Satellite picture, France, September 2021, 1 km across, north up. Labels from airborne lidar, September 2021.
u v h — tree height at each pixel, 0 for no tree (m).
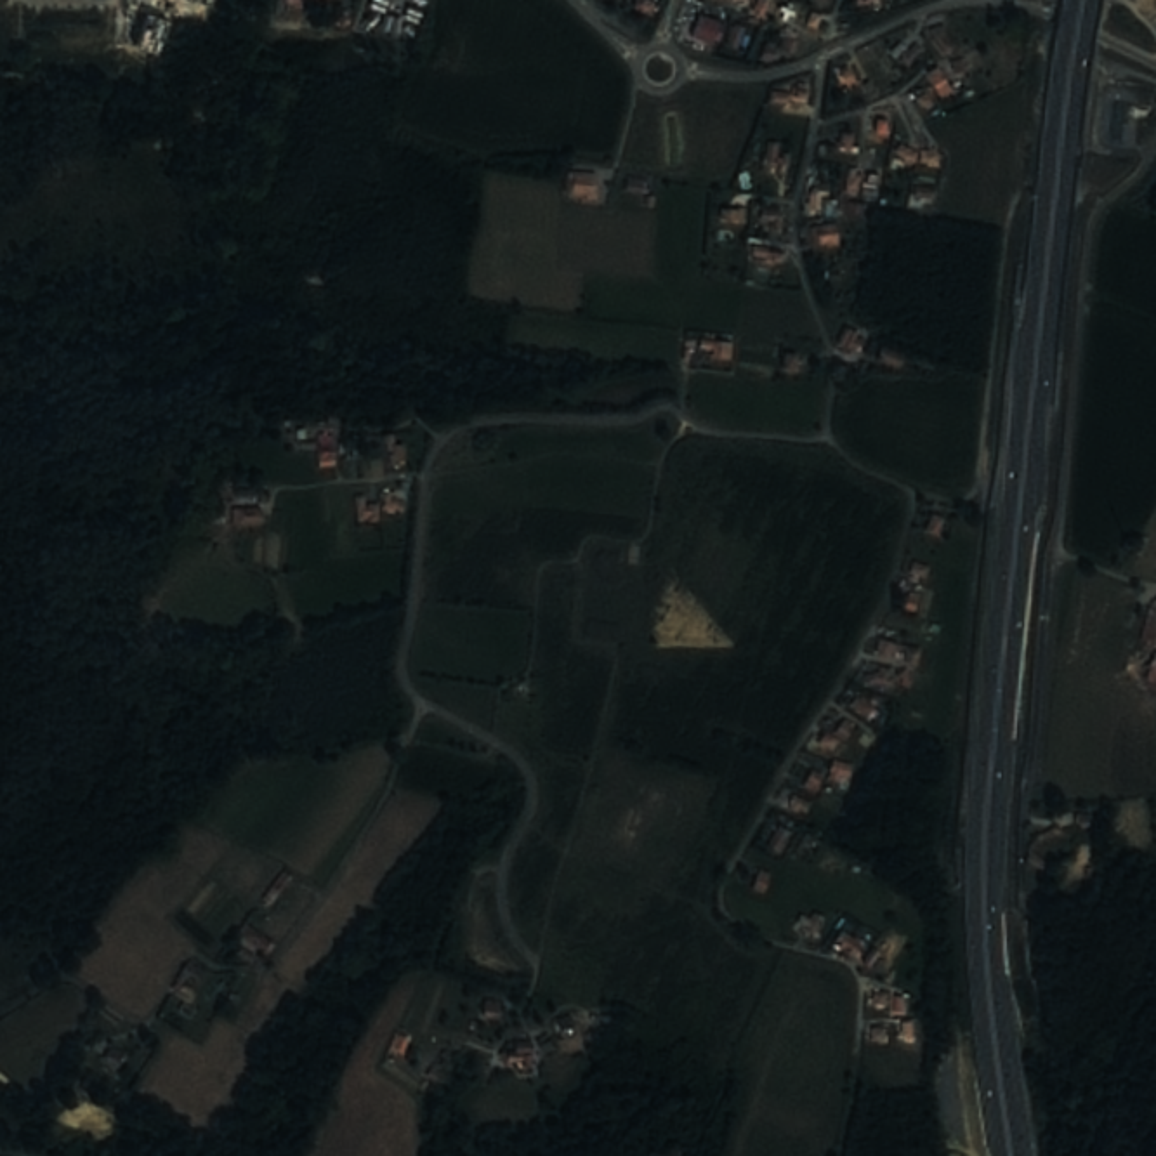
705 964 0
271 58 14
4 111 13
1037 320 0
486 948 0
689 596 0
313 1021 25
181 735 23
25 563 18
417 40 16
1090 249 0
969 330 11
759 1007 0
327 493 0
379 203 10
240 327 33
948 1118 0
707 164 0
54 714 21
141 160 0
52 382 23
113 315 19
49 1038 0
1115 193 0
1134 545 10
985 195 0
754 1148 0
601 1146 24
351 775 0
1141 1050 19
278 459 0
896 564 0
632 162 0
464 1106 0
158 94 14
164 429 32
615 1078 13
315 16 20
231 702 24
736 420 0
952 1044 12
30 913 17
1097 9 0
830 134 0
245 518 0
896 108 0
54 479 22
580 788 0
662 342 0
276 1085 21
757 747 8
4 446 22
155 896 0
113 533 29
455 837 18
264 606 0
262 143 26
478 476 0
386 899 15
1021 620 0
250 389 14
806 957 0
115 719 14
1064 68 0
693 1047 0
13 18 0
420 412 15
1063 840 0
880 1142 8
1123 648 0
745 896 0
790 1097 0
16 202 9
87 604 31
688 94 0
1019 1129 0
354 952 27
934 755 19
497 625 0
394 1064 0
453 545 0
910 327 10
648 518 0
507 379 28
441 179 7
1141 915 13
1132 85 0
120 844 11
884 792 24
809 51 0
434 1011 0
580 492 0
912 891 14
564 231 0
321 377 26
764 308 0
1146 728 0
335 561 0
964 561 0
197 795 14
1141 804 0
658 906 0
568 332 0
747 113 0
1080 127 0
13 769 13
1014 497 0
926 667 0
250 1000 0
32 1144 17
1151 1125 6
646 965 0
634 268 0
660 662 0
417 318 5
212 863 0
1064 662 0
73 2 0
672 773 0
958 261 9
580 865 0
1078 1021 18
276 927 0
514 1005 13
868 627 0
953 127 0
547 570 0
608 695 0
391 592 0
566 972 0
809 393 0
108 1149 16
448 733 0
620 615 0
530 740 0
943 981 15
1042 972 15
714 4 0
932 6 0
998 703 0
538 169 8
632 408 6
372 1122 0
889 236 10
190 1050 0
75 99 19
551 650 0
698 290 0
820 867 0
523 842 0
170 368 21
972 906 0
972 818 0
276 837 0
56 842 16
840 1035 0
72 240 0
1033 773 0
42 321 22
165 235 0
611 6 12
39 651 26
